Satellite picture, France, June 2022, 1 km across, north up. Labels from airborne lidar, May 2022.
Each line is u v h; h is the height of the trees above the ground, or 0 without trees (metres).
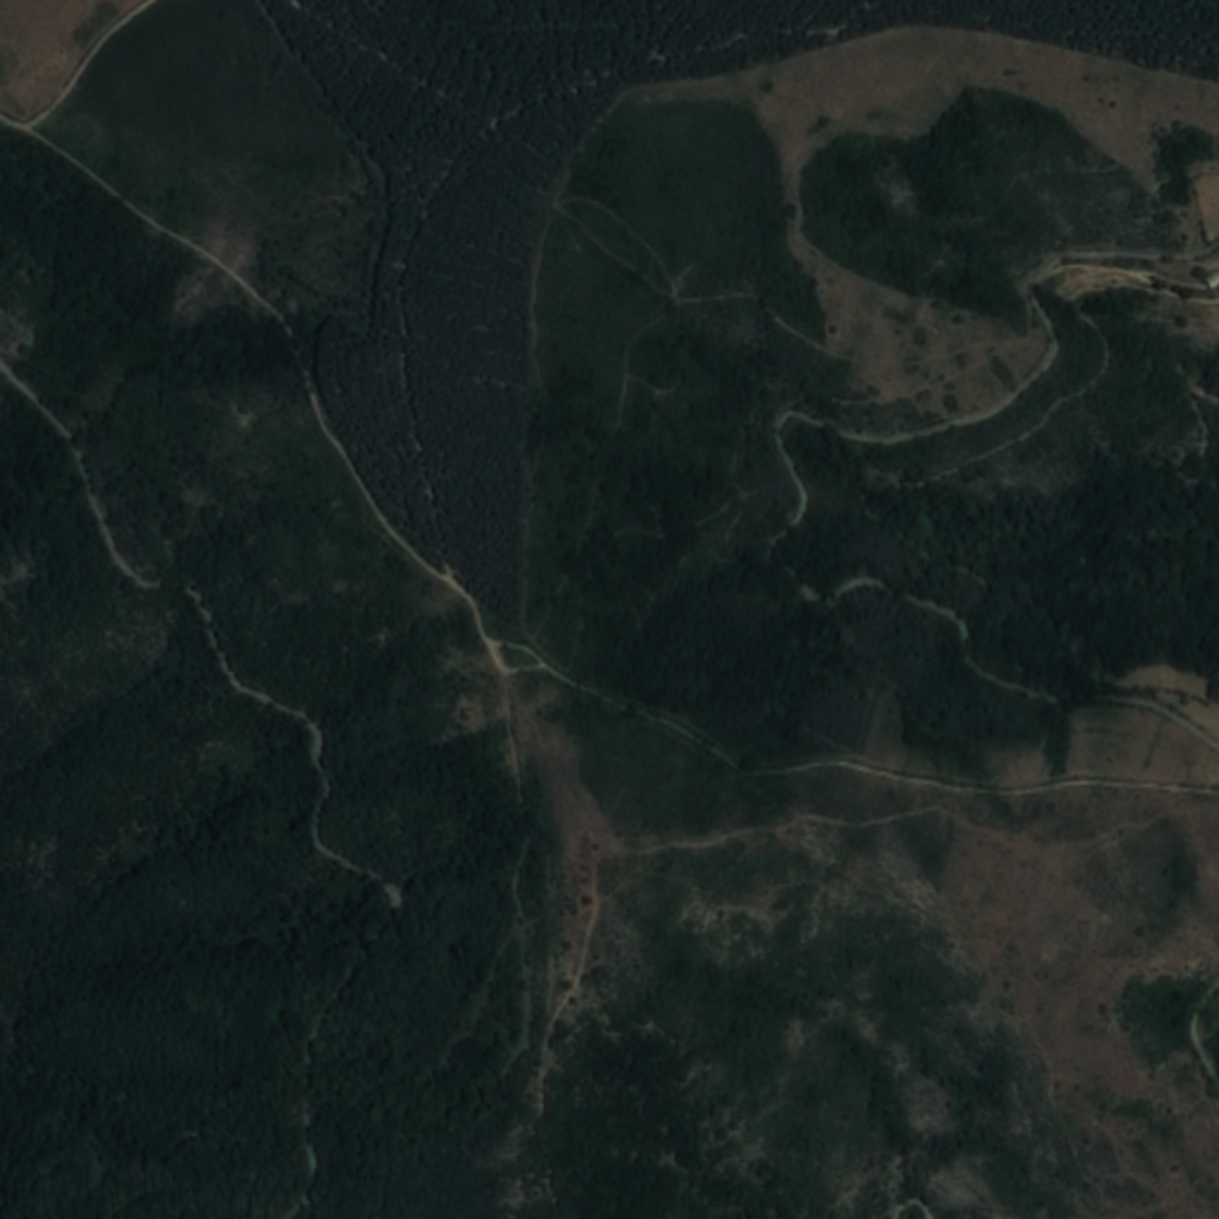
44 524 7
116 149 0
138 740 11
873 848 0
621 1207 12
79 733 12
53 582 10
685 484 8
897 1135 8
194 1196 10
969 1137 7
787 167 0
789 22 13
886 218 10
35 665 7
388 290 15
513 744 0
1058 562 18
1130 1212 0
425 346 17
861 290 0
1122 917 0
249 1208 8
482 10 14
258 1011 15
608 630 7
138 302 9
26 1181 10
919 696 8
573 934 0
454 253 17
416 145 15
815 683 7
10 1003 12
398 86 14
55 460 9
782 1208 11
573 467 6
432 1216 9
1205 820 0
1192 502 10
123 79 0
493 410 16
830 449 13
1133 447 7
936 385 0
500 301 16
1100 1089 0
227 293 0
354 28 14
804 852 0
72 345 7
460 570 9
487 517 13
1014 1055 0
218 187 0
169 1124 11
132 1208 11
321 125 0
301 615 10
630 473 7
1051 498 13
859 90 0
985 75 0
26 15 0
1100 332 7
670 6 13
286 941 14
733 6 15
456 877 9
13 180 12
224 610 8
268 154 0
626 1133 8
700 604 6
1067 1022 0
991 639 13
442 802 8
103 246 13
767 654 12
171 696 7
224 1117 17
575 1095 8
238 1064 13
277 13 13
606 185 6
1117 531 13
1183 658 11
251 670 10
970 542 13
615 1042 8
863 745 0
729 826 0
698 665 10
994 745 0
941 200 11
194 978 14
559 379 6
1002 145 7
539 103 12
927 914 0
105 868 8
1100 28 13
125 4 0
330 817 9
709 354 7
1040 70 0
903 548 7
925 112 0
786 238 0
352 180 0
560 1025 6
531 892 5
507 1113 8
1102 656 15
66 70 0
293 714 6
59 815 12
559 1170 11
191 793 12
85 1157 8
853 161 7
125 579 7
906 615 10
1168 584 13
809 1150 6
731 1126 8
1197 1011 7
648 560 9
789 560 13
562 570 8
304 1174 10
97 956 11
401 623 9
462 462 14
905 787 0
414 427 12
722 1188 11
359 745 9
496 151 15
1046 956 0
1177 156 10
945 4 13
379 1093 6
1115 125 0
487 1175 6
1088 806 0
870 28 13
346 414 11
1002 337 0
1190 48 14
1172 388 8
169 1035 9
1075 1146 0
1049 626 16
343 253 6
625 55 13
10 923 8
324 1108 9
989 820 0
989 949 0
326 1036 9
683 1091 7
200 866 10
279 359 7
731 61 10
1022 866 0
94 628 7
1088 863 0
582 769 0
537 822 6
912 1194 8
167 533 10
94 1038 10
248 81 0
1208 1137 0
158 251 7
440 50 14
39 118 0
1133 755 0
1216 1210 0
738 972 7
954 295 10
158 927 11
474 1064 10
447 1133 7
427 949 8
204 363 8
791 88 0
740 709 10
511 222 16
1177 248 5
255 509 8
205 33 0
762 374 9
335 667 13
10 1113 12
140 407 6
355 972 9
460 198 20
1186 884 0
